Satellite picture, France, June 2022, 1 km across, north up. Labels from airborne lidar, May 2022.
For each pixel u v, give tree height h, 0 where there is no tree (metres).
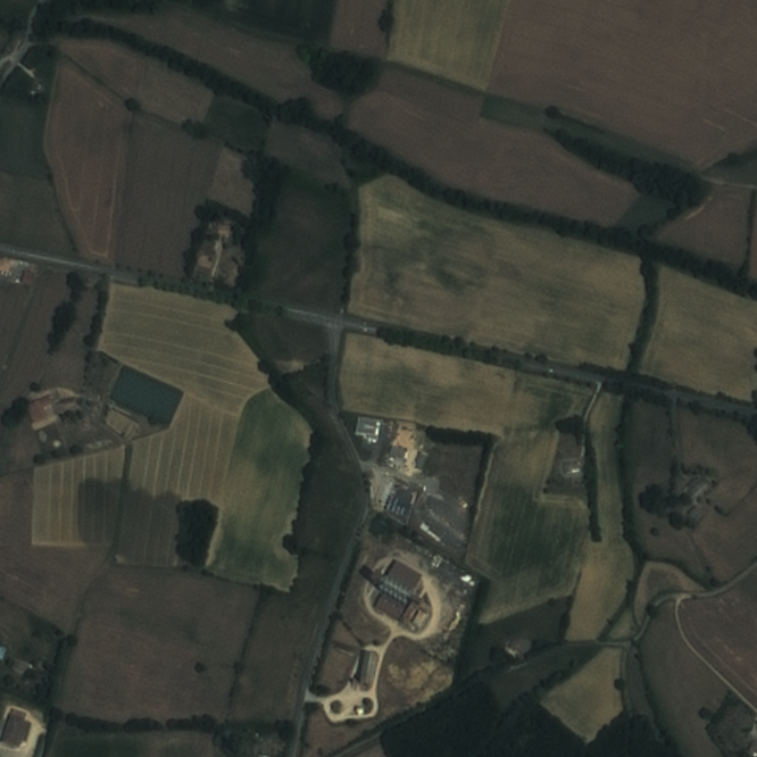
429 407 0
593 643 0
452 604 0
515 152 0
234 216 17
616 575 0
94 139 0
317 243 0
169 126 0
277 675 0
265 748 0
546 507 0
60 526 0
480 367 0
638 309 0
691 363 0
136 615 0
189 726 17
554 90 0
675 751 17
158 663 0
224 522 0
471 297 0
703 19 0
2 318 0
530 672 0
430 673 0
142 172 0
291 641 0
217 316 0
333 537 0
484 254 0
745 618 0
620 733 12
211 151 0
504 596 0
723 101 0
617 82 0
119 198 0
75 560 0
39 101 15
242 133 0
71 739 0
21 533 0
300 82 0
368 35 0
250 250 24
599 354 0
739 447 0
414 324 0
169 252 0
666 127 0
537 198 0
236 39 0
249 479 0
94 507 0
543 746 19
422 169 9
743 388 0
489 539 0
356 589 0
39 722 0
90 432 0
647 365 0
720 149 0
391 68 0
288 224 0
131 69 0
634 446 0
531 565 0
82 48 0
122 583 0
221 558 0
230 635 0
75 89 0
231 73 0
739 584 0
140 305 0
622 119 0
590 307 0
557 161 0
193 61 11
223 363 0
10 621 0
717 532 0
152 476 0
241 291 12
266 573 0
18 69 14
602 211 0
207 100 0
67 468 0
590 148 11
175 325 0
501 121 0
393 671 0
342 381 0
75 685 0
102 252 0
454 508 0
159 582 0
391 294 0
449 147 0
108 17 0
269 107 14
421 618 0
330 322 0
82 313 0
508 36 0
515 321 0
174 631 0
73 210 0
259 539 0
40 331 0
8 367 0
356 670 0
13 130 0
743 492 0
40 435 0
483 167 0
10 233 0
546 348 0
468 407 0
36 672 11
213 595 0
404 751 14
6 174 0
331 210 0
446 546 0
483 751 25
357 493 0
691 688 0
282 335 0
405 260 0
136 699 0
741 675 0
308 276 0
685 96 0
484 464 11
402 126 0
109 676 0
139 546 0
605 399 0
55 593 0
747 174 0
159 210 0
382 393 0
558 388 0
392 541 0
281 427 0
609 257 0
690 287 0
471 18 0
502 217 13
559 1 0
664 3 0
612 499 0
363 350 0
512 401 0
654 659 0
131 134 0
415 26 0
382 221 0
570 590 0
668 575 0
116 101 0
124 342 0
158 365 0
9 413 19
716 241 0
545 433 0
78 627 0
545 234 0
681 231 0
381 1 0
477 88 0
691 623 0
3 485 0
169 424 0
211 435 0
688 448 0
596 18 0
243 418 0
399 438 0
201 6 0
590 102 0
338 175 0
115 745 0
